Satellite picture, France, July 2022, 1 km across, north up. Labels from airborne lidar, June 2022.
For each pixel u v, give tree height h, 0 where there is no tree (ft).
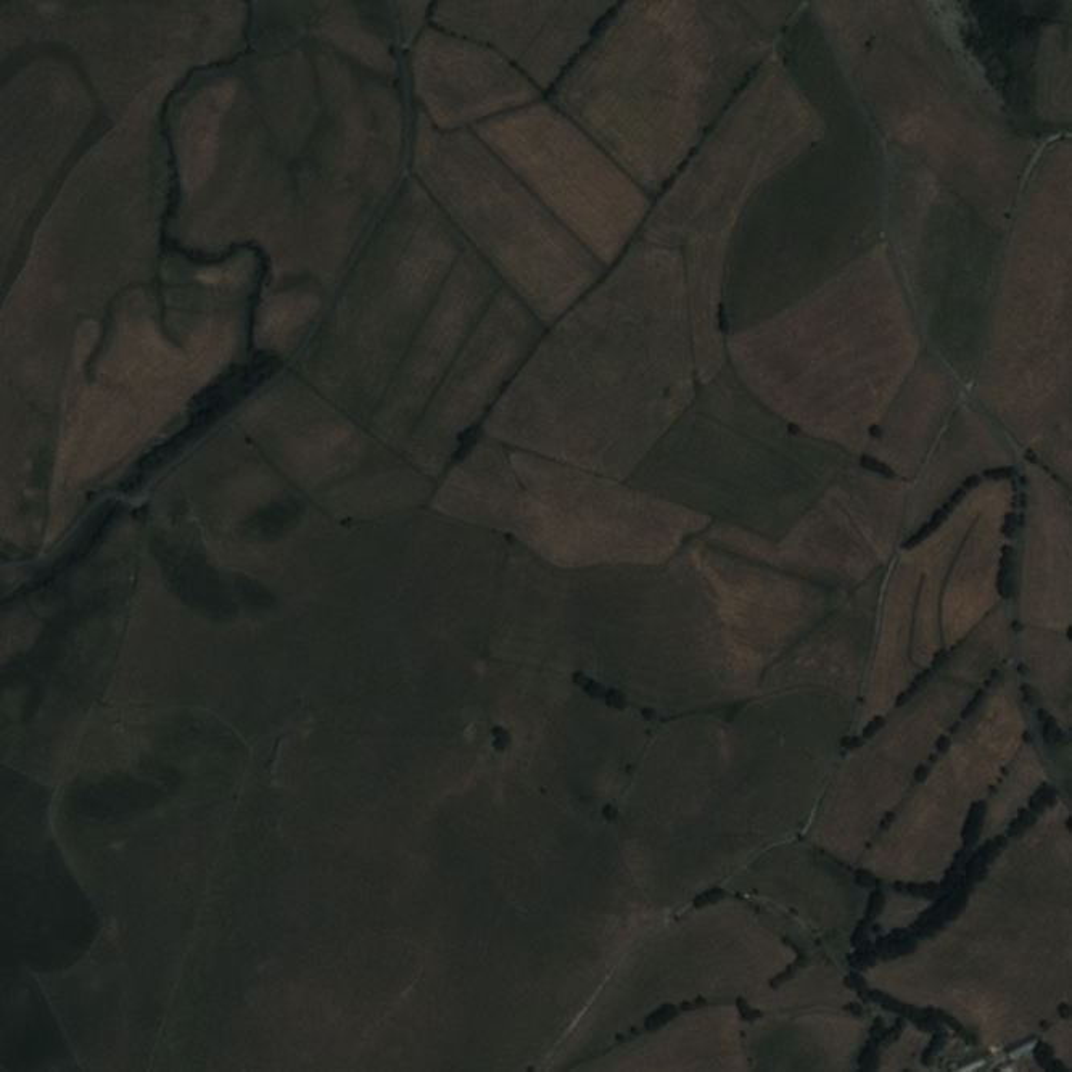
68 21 0
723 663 0
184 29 0
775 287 0
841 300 0
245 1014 0
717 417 0
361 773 0
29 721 0
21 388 0
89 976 0
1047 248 0
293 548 0
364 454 0
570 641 0
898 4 0
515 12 0
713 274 0
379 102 0
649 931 0
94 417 0
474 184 0
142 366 0
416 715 0
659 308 0
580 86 0
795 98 0
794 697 0
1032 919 0
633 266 0
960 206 0
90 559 0
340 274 0
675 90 0
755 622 0
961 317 0
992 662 0
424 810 0
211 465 0
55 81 0
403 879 0
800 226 0
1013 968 0
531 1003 0
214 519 0
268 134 0
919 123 0
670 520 0
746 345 0
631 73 0
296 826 0
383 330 0
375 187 0
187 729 0
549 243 0
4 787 0
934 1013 52
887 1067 0
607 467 0
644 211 0
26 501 0
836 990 0
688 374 0
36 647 0
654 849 0
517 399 0
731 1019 0
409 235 0
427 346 0
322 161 0
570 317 0
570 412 0
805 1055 0
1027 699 32
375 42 0
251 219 0
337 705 0
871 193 0
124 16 0
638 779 0
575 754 0
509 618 0
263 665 0
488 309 0
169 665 0
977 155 0
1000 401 0
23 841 0
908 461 0
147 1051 0
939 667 22
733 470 0
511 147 0
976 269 0
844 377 0
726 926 0
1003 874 0
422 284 0
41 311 0
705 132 21
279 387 0
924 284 0
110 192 0
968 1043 39
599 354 0
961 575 0
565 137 0
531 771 0
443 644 0
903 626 0
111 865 0
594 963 0
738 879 0
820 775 0
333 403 0
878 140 0
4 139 0
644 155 0
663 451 0
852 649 0
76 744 0
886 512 0
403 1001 0
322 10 0
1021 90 0
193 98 0
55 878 0
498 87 0
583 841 0
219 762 0
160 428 0
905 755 0
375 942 0
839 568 0
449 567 0
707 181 0
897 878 0
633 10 0
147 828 0
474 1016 0
